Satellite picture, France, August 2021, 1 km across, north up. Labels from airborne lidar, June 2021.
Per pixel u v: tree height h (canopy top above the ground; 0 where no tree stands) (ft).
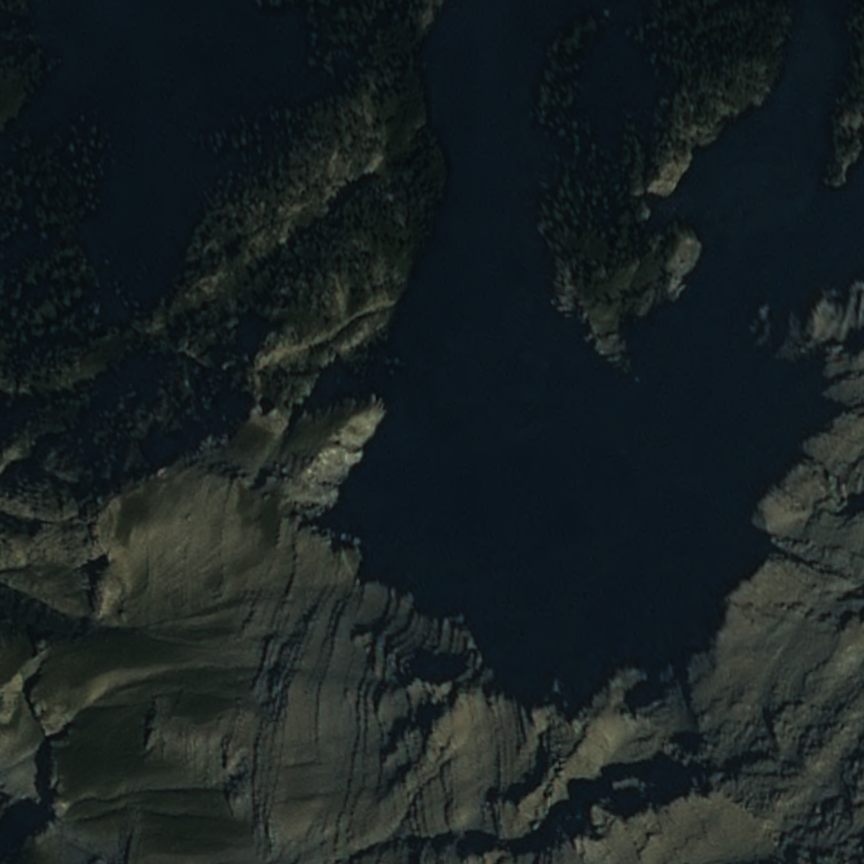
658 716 0
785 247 0
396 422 0
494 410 0
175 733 0
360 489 0
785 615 0
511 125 25
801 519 0
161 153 34
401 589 0
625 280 0
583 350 0
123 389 0
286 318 0
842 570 0
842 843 0
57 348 34
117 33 21
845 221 0
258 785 0
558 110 33
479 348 0
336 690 0
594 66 18
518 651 0
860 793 0
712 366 0
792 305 0
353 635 0
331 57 25
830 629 0
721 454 0
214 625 0
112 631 0
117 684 0
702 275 0
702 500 0
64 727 0
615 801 0
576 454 0
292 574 0
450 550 0
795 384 0
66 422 0
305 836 0
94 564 0
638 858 0
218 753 0
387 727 0
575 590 0
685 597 0
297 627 0
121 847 0
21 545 0
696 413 0
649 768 0
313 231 24
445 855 0
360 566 0
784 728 0
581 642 0
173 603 0
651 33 44
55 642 0
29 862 0
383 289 20
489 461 0
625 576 0
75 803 0
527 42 60
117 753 0
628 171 25
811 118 0
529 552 0
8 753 0
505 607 0
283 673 0
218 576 0
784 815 0
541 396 0
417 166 21
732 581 0
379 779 0
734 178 0
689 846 0
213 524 0
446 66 29
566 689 0
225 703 0
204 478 0
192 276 30
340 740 0
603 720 0
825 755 0
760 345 0
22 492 0
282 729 0
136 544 0
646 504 0
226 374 0
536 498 0
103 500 0
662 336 0
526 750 0
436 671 0
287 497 0
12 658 0
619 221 20
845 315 0
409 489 0
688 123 30
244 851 0
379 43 37
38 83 19
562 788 0
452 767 0
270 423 0
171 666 0
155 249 19
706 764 0
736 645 0
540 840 0
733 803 0
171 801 0
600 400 0
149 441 0
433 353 29
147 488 0
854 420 0
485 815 0
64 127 19
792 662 0
